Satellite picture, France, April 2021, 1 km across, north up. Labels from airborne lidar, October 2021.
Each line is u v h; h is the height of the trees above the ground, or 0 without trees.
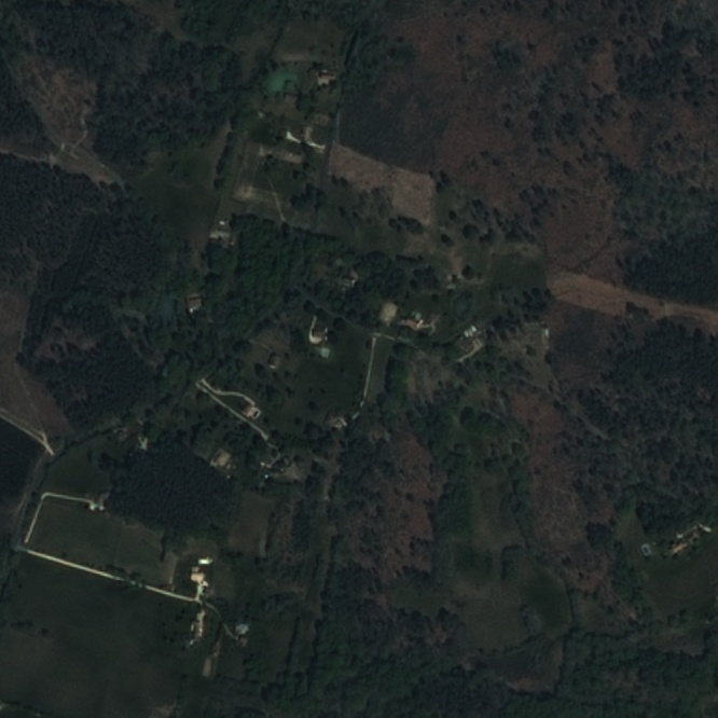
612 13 12
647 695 13
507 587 13
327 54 7
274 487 18
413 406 17
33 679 0
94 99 13
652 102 19
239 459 12
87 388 21
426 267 13
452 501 17
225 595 0
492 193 0
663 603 0
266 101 9
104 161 25
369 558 17
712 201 21
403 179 0
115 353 23
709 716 0
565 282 0
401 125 11
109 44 24
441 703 23
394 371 16
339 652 17
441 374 20
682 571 0
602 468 16
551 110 18
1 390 0
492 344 13
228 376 8
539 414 12
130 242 23
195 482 21
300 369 0
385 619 24
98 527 0
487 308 0
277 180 6
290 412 0
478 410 0
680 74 24
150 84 21
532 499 15
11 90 21
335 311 10
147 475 23
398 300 20
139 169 19
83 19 23
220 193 17
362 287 9
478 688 22
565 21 5
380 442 12
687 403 11
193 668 0
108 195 22
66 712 0
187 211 0
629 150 0
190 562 0
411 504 15
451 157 0
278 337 26
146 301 24
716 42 16
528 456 18
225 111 17
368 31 19
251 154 0
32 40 14
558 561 16
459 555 6
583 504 23
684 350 21
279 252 15
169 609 0
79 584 0
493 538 0
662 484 13
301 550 14
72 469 0
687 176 11
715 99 17
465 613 0
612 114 23
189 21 7
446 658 21
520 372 15
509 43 15
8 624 10
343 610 28
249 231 17
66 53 29
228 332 19
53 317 11
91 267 11
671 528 20
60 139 0
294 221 0
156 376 19
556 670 0
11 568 11
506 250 0
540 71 11
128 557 0
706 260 25
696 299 23
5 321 0
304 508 14
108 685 0
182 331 14
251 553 0
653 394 14
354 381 0
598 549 25
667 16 13
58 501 0
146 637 0
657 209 31
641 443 16
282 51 0
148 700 0
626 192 24
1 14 20
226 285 24
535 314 16
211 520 21
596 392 10
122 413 24
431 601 0
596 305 0
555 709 27
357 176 0
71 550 0
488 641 0
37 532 0
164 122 19
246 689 8
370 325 22
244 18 8
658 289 22
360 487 20
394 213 13
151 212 14
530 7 20
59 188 20
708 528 10
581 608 17
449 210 0
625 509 19
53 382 20
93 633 0
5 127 22
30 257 26
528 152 7
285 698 27
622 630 8
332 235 0
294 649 14
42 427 0
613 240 10
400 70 22
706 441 22
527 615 15
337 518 17
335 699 21
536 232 17
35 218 23
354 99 13
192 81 9
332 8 8
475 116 0
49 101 20
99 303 20
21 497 10
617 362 18
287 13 16
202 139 19
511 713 23
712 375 23
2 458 11
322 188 0
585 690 18
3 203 23
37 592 0
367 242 0
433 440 15
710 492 18
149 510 22
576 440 5
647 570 0
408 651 11
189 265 24
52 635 8
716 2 18
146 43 15
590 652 9
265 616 10
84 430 24
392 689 30
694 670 25
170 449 18
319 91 7
